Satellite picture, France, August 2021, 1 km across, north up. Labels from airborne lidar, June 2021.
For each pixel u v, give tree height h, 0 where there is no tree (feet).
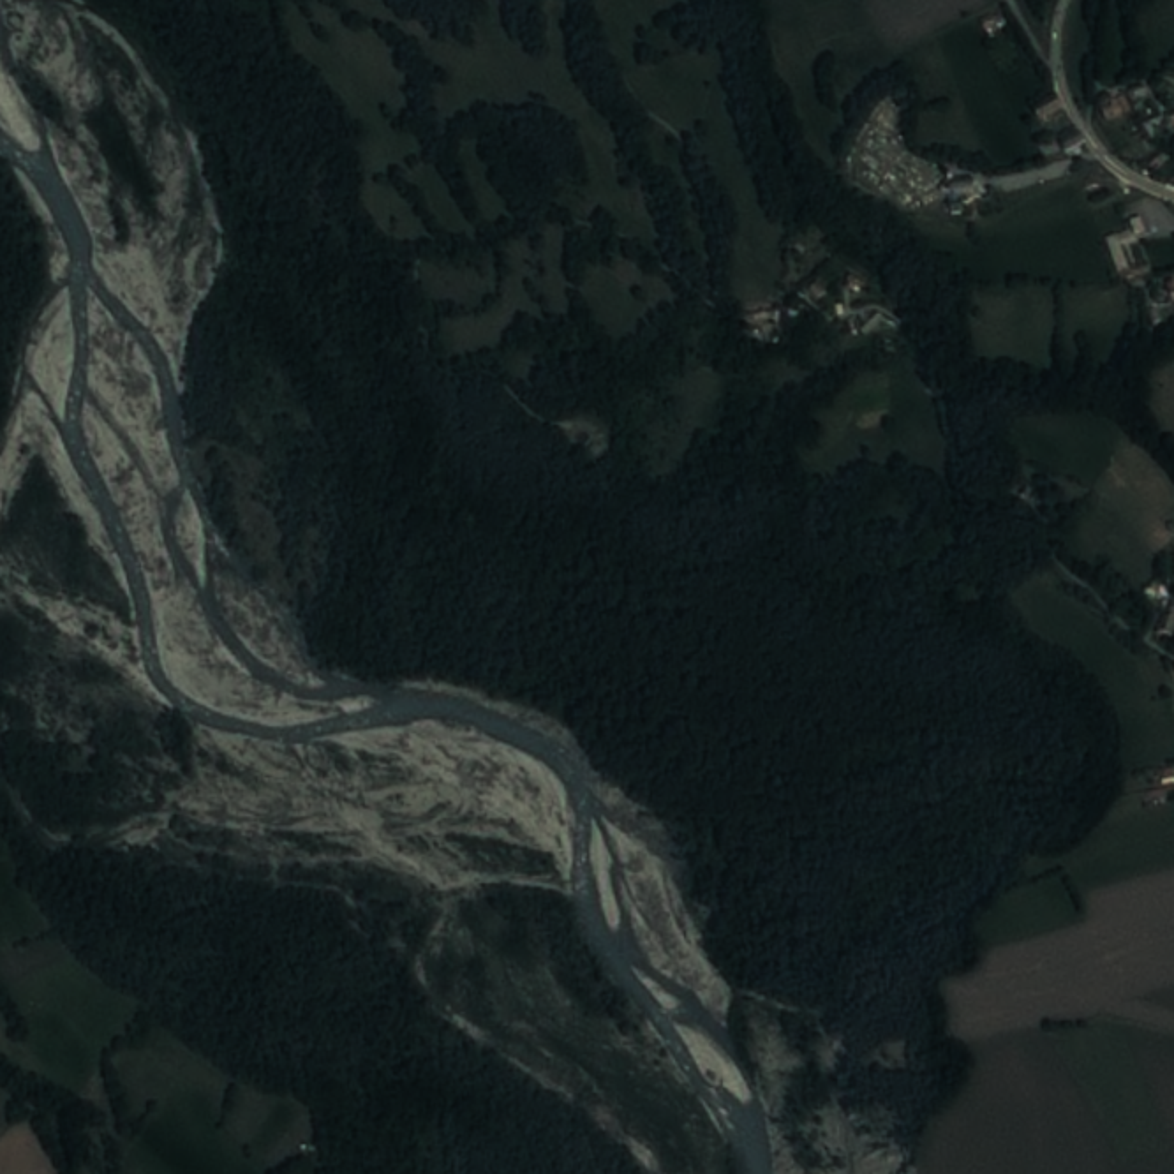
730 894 53
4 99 0
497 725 0
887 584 57
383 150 0
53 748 23
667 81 0
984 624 48
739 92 75
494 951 0
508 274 39
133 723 22
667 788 69
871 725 64
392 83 0
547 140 47
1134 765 0
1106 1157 0
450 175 62
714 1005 0
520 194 48
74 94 0
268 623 0
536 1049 0
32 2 0
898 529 47
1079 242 0
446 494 69
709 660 54
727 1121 0
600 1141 38
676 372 21
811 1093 25
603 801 0
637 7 0
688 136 33
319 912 42
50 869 55
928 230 0
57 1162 34
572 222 33
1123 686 0
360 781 0
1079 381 52
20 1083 51
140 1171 0
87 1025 0
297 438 26
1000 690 69
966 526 65
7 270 43
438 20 65
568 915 35
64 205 0
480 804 0
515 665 60
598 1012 28
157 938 49
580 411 38
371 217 20
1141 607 21
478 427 65
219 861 30
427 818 0
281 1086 39
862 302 26
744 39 83
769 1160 0
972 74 0
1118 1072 0
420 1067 34
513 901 32
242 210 25
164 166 0
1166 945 0
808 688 57
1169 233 0
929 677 76
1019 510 65
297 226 52
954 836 39
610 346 60
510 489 69
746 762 73
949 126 0
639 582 60
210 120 44
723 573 73
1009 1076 0
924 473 52
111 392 0
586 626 58
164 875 34
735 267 20
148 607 0
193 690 0
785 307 19
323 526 27
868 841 54
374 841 0
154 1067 0
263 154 52
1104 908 0
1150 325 24
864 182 0
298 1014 49
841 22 0
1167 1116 0
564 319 27
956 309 45
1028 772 21
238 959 36
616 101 65
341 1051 25
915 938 19
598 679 56
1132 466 0
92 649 0
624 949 0
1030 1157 0
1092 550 0
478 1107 64
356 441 55
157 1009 21
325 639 48
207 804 0
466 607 35
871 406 0
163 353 0
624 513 73
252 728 0
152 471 0
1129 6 55
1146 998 0
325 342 26
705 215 45
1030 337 0
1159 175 35
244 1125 0
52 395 0
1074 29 0
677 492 48
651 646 52
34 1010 0
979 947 48
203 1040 43
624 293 0
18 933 0
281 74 53
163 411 0
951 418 42
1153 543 0
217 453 36
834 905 61
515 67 0
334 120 73
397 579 59
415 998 57
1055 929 0
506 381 41
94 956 51
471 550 56
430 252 53
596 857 0
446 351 44
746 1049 22
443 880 0
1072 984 0
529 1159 30
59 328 0
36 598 0
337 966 25
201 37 62
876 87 48
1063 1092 0
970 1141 0
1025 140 0
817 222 60
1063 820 56
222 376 35
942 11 0
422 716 0
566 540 72
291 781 0
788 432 77
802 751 71
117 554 0
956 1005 0
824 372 39
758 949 50
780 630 74
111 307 0
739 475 84
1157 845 0
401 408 67
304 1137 0
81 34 0
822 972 58
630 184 42
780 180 52
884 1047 35
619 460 38
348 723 0
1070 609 0
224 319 21
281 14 38
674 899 0
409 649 59
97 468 0
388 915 58
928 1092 45
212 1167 0
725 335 29
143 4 52
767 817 64
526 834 0
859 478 71
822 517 59
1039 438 0
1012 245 0
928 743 59
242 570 0
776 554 85
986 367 41
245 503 0
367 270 52
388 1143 20
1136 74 35
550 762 0
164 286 0
